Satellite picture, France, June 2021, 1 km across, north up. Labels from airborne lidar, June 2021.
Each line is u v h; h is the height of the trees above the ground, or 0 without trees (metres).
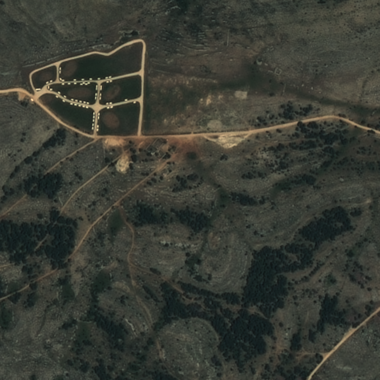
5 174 0
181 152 0
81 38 0
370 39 0
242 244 0
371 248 0
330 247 0
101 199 0
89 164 0
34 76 0
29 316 0
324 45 0
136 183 0
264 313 6
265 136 0
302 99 0
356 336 0
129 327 0
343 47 0
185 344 0
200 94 0
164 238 0
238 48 0
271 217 0
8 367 0
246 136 0
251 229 0
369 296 0
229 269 0
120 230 0
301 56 0
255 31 0
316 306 0
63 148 0
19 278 0
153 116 0
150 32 0
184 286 9
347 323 8
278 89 0
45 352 0
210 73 0
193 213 7
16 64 0
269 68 0
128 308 0
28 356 0
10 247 8
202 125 0
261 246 0
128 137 0
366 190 0
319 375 0
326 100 0
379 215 0
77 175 7
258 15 0
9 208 0
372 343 0
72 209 0
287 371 6
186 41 0
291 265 6
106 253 0
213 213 0
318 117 0
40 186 10
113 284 0
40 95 0
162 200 0
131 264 0
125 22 0
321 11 0
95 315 7
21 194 0
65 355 0
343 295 0
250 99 0
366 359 0
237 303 10
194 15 0
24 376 0
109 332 7
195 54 0
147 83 0
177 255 0
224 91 0
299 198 0
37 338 0
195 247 0
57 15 0
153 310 0
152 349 0
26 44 0
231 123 0
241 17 0
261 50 0
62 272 0
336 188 0
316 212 0
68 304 0
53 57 0
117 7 0
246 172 0
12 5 0
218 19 0
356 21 0
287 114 8
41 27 0
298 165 0
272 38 0
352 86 0
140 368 6
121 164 0
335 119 0
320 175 0
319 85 0
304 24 0
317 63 0
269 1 0
